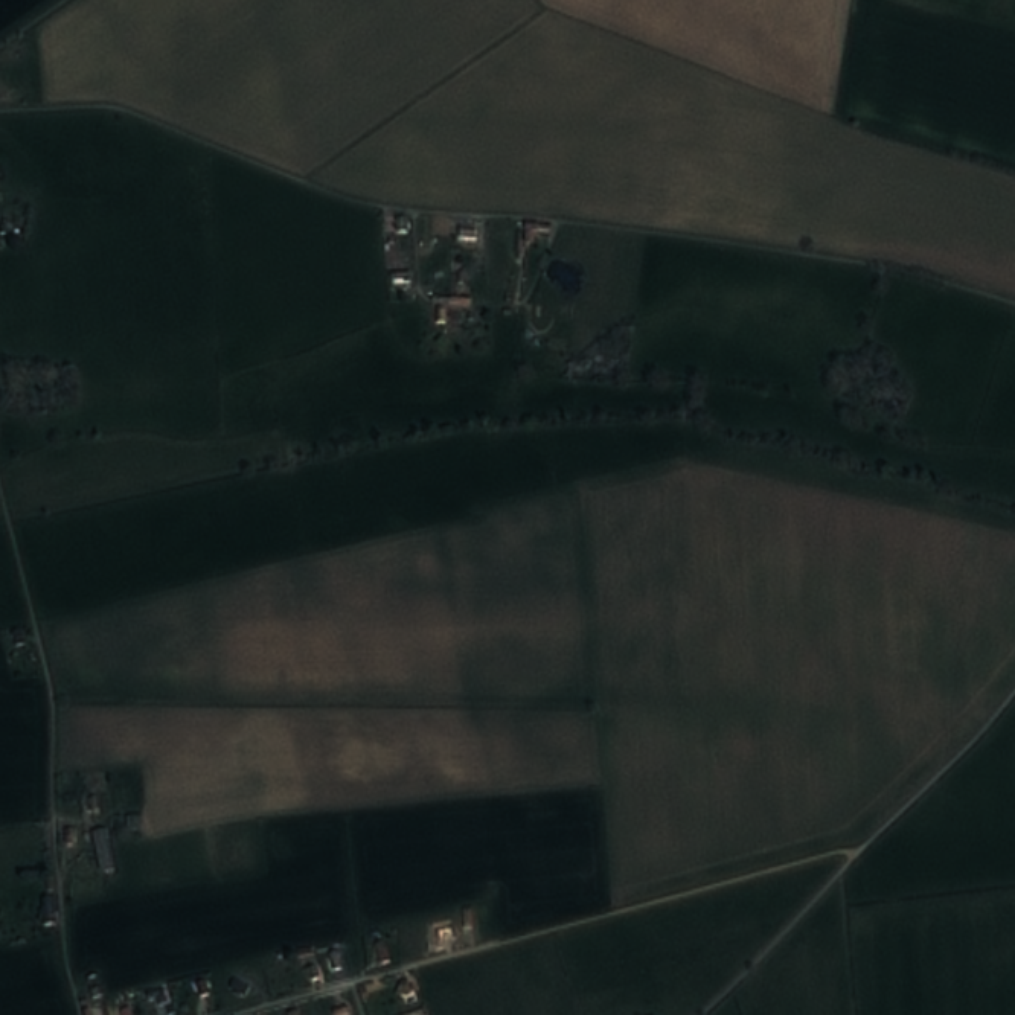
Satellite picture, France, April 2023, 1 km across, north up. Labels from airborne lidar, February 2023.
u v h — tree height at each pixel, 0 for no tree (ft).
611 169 0
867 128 0
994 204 0
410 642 0
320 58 0
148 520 0
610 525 0
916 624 0
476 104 0
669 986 0
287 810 0
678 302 0
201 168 0
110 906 0
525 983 0
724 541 0
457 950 0
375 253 0
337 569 0
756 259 0
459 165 0
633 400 0
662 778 0
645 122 0
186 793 0
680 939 0
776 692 0
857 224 0
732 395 0
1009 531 0
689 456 0
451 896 0
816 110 0
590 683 0
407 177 0
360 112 0
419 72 0
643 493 0
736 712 0
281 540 0
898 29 0
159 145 0
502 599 0
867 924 0
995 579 0
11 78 0
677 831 0
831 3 0
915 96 0
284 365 0
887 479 30
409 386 0
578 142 0
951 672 0
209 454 0
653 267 0
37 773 0
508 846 0
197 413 0
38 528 0
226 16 0
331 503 0
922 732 0
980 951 0
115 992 0
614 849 0
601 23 0
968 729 0
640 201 0
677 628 0
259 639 0
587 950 0
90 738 0
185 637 0
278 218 0
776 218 0
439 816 0
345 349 0
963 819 0
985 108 0
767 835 0
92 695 0
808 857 0
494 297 0
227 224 0
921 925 0
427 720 0
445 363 0
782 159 0
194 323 0
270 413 0
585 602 0
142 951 0
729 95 0
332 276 0
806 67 0
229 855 0
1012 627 0
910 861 0
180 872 0
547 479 0
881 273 41
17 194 0
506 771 0
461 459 0
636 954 0
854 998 0
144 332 0
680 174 0
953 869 0
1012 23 0
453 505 0
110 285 0
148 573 0
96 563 0
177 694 0
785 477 0
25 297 0
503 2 0
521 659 0
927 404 0
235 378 0
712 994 0
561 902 0
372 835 0
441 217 0
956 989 0
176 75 0
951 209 0
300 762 0
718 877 0
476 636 0
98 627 0
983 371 0
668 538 0
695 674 0
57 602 0
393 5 0
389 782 0
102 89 0
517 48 0
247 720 0
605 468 0
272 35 0
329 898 0
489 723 0
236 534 0
